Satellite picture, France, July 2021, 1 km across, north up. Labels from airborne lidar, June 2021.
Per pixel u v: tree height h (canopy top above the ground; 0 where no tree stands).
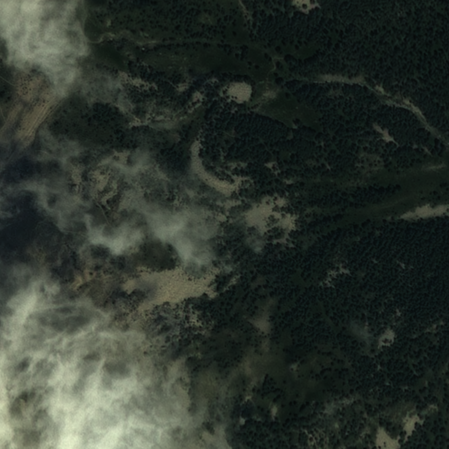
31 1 0
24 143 0
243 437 13
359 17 22
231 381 0
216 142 12
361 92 20
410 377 16
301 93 23
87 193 0
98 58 0
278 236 6
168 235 14
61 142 9
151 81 16
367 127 11
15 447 0
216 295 0
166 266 0
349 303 14
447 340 18
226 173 8
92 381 0
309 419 9
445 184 12
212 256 13
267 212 0
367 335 19
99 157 12
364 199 21
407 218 0
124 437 0
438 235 17
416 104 7
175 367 0
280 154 22
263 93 0
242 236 9
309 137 23
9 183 7
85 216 0
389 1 24
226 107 13
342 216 21
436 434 16
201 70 0
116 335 0
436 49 0
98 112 19
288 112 0
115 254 0
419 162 7
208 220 9
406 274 13
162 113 6
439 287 16
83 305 0
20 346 0
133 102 14
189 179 13
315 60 23
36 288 0
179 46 13
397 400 11
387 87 19
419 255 17
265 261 9
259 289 12
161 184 8
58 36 0
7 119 0
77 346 0
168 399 0
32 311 0
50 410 0
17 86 0
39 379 0
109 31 0
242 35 0
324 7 27
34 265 0
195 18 9
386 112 14
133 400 0
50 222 0
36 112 0
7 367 0
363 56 23
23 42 0
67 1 0
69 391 0
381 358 17
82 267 0
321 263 13
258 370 0
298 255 17
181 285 0
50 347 0
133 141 13
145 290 0
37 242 0
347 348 16
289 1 19
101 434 0
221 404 7
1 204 0
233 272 6
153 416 0
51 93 0
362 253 17
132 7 17
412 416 0
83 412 0
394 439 0
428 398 8
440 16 24
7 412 0
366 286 15
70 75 0
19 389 0
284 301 16
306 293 9
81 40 0
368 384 12
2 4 0
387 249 11
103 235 0
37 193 0
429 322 6
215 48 0
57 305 0
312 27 18
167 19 12
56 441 0
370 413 12
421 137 22
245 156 16
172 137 0
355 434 7
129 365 0
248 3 16
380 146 12
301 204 15
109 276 0
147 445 0
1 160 0
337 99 13
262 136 18
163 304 0
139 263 0
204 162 10
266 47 14
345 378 9
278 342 7
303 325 12
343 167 19
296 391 0
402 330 11
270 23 21
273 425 15
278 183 20
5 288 0
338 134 21
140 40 0
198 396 0
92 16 0
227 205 0
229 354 0
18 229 0
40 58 0
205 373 0
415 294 22
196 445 0
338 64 20
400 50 26
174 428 9
